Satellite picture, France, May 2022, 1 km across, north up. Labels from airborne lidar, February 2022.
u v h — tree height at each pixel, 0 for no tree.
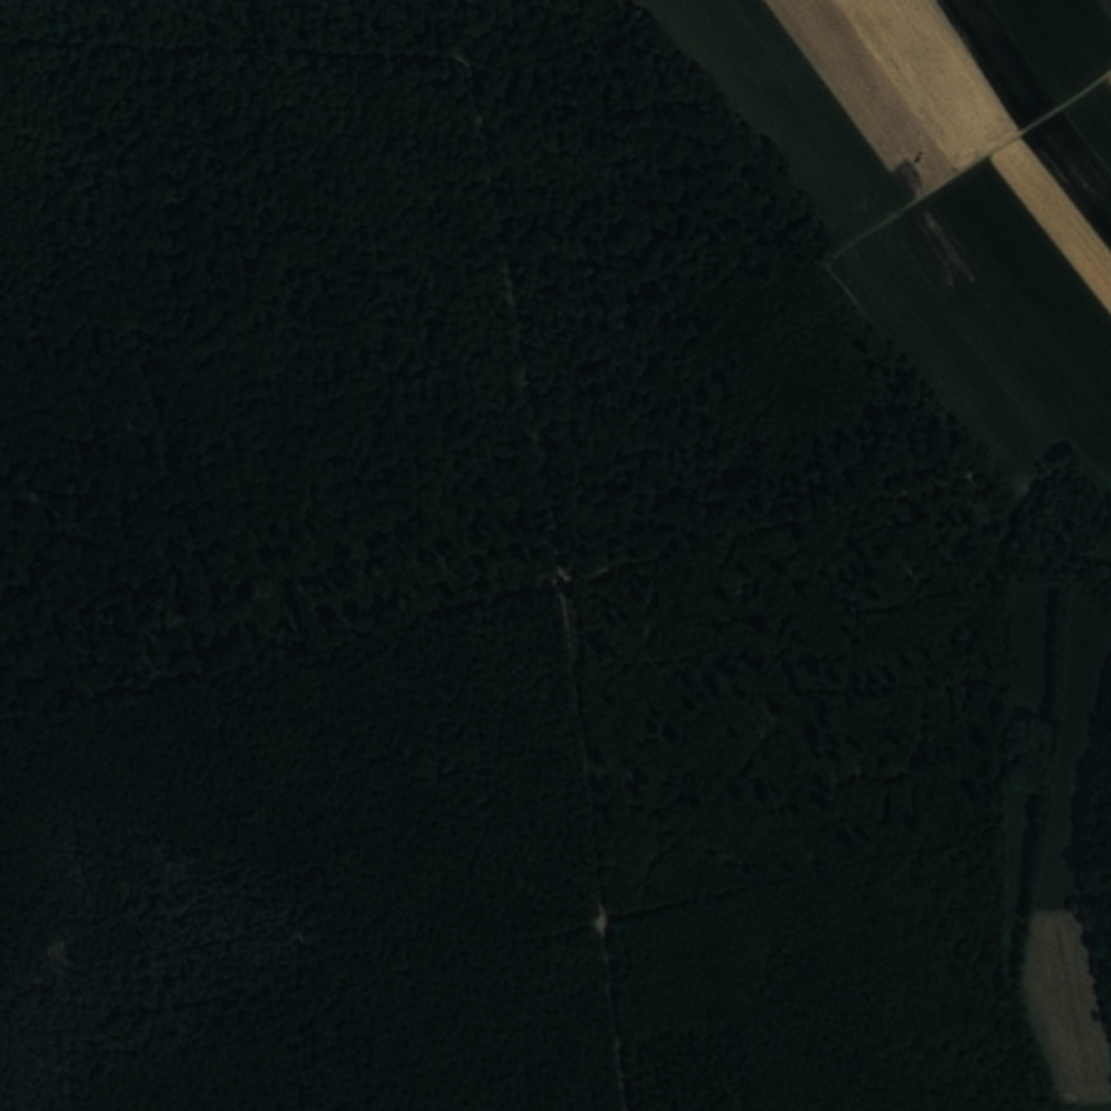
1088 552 19
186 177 29
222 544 27
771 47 0
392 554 28
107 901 16
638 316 32
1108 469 0
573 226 31
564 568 16
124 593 27
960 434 14
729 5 0
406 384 30
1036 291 0
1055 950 0
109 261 26
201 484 33
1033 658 0
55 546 30
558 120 28
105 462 30
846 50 0
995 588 26
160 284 27
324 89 27
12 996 21
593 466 26
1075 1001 0
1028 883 18
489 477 29
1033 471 0
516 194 25
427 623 21
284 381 28
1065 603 18
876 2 0
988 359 0
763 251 29
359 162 28
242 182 28
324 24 25
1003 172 0
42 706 23
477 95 25
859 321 8
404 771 23
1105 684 0
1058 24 0
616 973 15
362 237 27
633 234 30
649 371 31
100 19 27
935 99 0
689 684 31
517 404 21
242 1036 13
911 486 32
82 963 17
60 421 29
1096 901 26
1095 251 0
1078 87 0
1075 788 0
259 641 26
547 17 28
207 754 21
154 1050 15
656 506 33
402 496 26
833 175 0
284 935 22
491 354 23
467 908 23
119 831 15
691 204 30
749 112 0
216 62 28
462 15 29
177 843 14
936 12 0
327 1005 16
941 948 14
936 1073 13
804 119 0
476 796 23
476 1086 16
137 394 29
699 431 28
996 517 9
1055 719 19
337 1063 19
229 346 28
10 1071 23
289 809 23
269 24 27
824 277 11
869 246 0
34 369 30
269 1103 18
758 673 35
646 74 26
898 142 0
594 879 15
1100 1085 0
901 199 0
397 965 20
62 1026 19
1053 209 0
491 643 24
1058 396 0
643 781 31
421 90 26
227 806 18
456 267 26
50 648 26
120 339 26
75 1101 16
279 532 30
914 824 32
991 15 0
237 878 18
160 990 21
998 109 0
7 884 18
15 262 24
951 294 0
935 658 7
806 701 37
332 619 28
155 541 28
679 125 29
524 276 27
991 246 0
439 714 22
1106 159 0
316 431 28
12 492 33
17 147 21
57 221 24
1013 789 13
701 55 0
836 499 35
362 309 28
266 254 24
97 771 17
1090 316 0
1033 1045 10
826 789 31
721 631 32
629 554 33
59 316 26
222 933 15
